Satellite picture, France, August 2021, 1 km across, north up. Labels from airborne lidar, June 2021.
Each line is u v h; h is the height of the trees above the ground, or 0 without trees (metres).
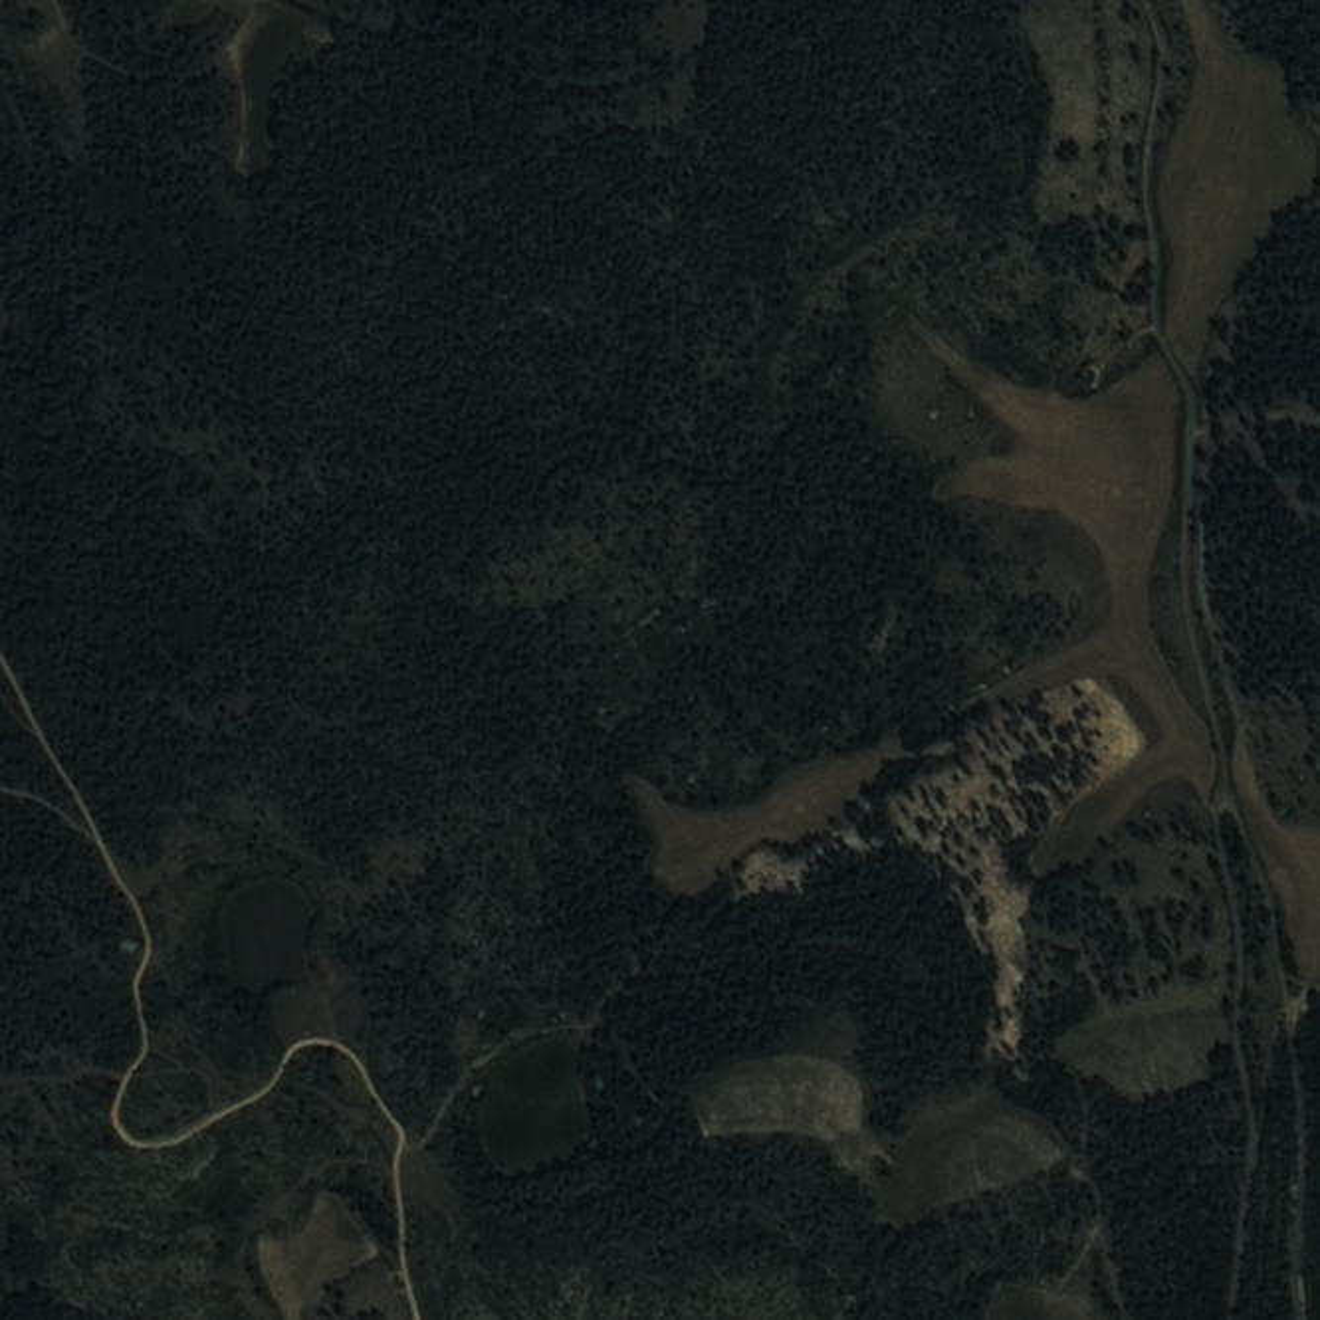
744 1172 6
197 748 8
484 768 8
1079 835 0
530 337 8
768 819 0
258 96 0
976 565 10
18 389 8
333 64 9
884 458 9
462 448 10
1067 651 0
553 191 7
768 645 9
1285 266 10
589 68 8
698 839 0
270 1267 0
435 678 9
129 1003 7
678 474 12
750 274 12
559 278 6
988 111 10
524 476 8
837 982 6
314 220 8
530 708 8
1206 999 0
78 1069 0
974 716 8
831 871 10
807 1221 8
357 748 6
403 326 9
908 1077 9
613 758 11
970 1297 9
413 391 8
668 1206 7
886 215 10
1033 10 0
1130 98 0
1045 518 0
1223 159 0
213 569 7
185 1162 0
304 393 6
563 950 10
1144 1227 14
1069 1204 7
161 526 12
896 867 9
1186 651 0
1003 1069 7
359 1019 0
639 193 7
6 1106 0
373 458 7
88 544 8
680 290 7
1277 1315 7
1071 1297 0
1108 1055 0
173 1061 0
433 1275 0
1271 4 11
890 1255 10
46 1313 14
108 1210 0
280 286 7
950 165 9
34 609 8
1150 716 0
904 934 7
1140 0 0
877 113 6
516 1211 9
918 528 10
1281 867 0
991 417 0
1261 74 0
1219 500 8
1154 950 9
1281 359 10
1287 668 8
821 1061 0
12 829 7
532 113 11
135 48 9
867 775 0
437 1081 8
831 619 6
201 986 8
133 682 7
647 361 9
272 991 8
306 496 8
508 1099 0
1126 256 9
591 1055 8
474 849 8
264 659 9
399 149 8
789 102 9
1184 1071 0
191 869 7
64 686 7
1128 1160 8
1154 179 0
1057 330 8
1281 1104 8
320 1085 9
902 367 0
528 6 8
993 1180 0
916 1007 7
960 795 0
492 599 9
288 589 9
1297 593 7
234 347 9
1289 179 0
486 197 6
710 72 11
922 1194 0
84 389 9
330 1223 0
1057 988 10
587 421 11
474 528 8
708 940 7
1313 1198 8
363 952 7
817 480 13
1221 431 12
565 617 9
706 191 9
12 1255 13
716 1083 0
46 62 0
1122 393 0
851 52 7
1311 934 0
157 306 8
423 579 8
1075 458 0
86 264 7
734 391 8
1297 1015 0
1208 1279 15
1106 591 0
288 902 0
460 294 10
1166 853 0
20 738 9
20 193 10
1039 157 10
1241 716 0
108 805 7
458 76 11
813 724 11
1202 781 0
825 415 9
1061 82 0
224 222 7
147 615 10
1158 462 0
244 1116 0
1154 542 0
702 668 7
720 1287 0
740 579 8
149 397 8
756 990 8
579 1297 0
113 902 7
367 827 7
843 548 8
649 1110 9
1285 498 12
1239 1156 8
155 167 8
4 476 6
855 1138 0
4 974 9
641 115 0
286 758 8
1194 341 0
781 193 7
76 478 9
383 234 10
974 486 0
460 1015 10
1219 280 0
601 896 7
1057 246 9
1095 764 9
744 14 10
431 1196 0
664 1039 7
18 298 7
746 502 9
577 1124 0
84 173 0
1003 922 0
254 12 0
